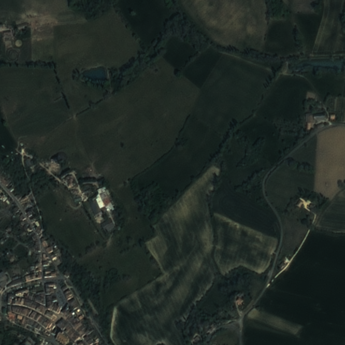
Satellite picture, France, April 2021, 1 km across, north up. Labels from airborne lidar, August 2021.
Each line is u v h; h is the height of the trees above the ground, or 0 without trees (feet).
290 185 0
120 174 0
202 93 0
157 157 0
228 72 0
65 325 0
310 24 0
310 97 0
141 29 0
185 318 0
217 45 23
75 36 0
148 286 0
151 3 0
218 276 46
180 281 0
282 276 0
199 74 0
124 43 0
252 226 0
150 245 0
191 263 0
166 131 0
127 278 46
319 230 54
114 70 28
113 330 0
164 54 51
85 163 0
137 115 0
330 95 36
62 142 0
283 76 0
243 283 47
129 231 0
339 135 0
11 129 0
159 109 0
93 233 0
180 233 0
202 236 0
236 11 0
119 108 0
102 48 0
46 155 0
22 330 23
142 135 0
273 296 0
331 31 0
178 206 0
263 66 0
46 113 0
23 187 36
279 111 0
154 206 30
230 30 0
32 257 25
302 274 0
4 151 0
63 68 0
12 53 0
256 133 0
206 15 0
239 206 0
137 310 0
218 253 0
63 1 0
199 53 21
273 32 0
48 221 0
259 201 25
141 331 0
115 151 0
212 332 0
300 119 31
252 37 0
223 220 0
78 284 23
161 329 0
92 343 0
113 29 0
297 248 19
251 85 0
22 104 0
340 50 0
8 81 0
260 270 0
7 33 0
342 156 0
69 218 0
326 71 46
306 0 0
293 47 0
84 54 0
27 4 0
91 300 40
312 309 0
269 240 0
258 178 26
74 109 0
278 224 0
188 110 0
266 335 0
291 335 0
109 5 51
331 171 0
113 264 0
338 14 0
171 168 0
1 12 0
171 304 0
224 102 0
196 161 0
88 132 0
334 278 0
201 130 0
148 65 62
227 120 0
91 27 0
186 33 70
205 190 0
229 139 79
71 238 0
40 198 38
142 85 0
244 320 0
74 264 41
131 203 0
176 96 0
